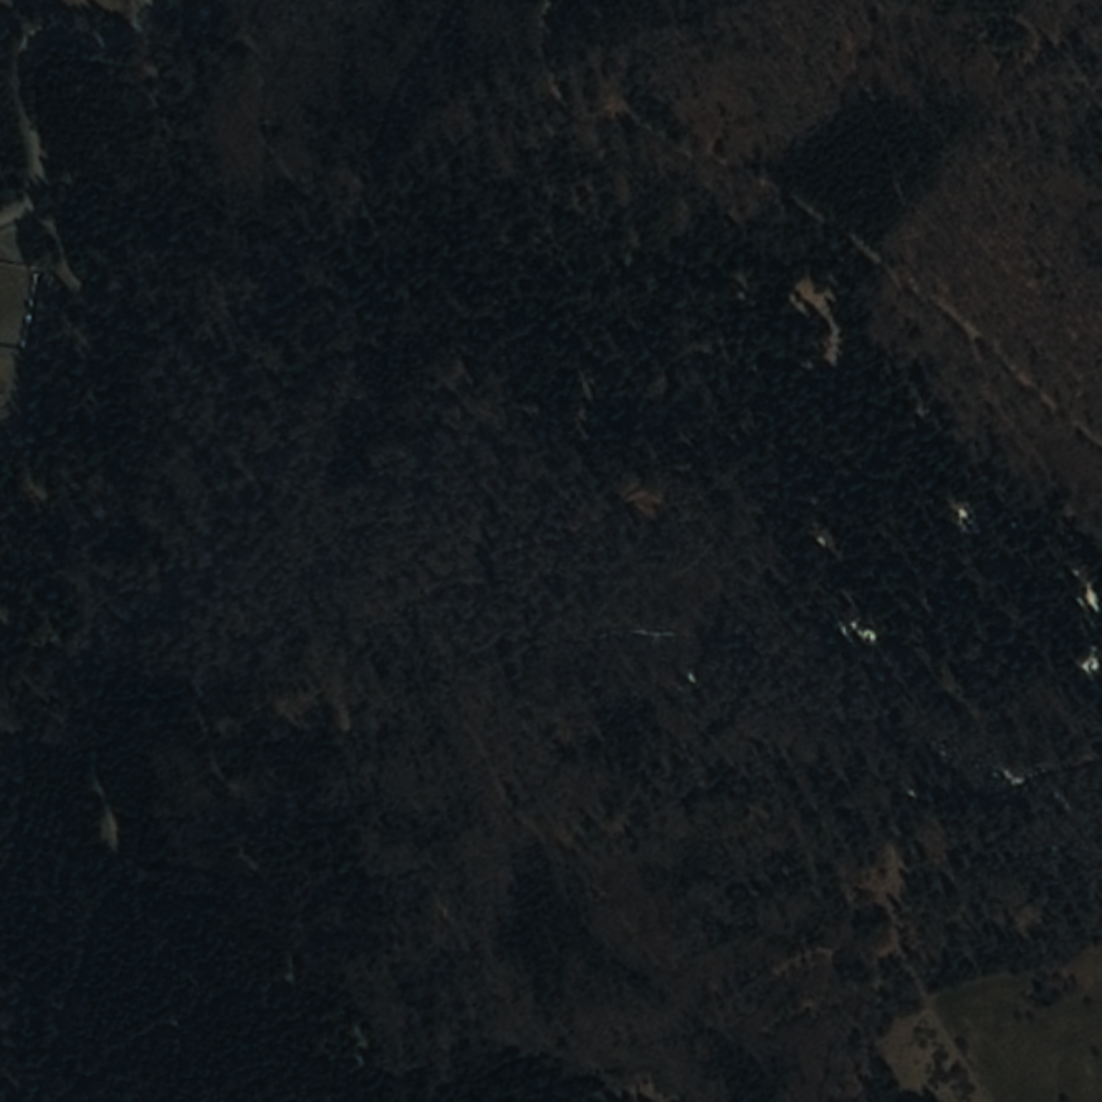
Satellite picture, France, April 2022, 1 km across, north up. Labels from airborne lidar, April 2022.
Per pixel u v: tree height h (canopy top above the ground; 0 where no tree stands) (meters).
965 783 12
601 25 18
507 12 15
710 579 19
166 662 15
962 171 19
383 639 18
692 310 10
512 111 22
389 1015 20
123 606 26
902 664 23
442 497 24
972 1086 0
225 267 11
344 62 18
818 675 26
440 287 8
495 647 12
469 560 24
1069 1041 0
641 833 14
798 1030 11
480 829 20
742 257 24
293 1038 20
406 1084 17
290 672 17
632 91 18
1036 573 7
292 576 25
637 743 16
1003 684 21
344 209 17
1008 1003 0
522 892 11
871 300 25
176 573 13
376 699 18
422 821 29
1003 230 23
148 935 27
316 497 26
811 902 18
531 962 21
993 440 26
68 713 18
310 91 15
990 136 20
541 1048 20
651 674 24
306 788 24
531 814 16
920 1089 0
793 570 22
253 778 14
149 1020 24
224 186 8
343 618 18
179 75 16
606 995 13
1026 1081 0
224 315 21
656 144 19
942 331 26
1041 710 15
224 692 20
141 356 18
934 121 19
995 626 14
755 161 9
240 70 20
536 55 21
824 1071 8
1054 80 18
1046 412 7
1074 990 11
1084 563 8
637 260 12
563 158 26
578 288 34
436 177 15
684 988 17
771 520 13
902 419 24
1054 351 18
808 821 19
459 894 22
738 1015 12
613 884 9
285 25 20
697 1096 12
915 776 12
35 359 11
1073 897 17
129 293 16
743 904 29
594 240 21
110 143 16
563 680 14
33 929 22
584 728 20
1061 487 15
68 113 20
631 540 28
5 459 20
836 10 21
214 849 17
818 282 20
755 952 10
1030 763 16
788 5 23
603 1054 17
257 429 20
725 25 23
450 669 19
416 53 12
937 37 13
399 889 21
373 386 23
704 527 10
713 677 9
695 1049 21
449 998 22
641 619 12
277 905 26
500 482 15
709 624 10
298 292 34
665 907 11
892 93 13
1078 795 13
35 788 23
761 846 17
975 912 17
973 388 24
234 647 19
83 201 9
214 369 21
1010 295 21
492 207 28
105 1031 22
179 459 26
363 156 17
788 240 21
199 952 19
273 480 17
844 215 17
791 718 14
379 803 20
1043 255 22
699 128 13
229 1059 21
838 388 11
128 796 19
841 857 12
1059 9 10
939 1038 0
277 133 13
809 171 18
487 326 29
